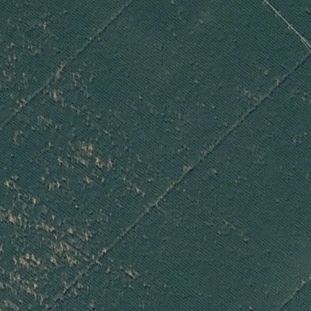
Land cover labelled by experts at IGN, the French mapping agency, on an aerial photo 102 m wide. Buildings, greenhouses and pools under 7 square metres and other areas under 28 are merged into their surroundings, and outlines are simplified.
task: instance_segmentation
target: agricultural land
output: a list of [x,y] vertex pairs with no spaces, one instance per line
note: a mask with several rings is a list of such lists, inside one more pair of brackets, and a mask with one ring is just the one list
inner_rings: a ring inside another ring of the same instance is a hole
[[0,0],[0,311],[311,311],[311,0]]

